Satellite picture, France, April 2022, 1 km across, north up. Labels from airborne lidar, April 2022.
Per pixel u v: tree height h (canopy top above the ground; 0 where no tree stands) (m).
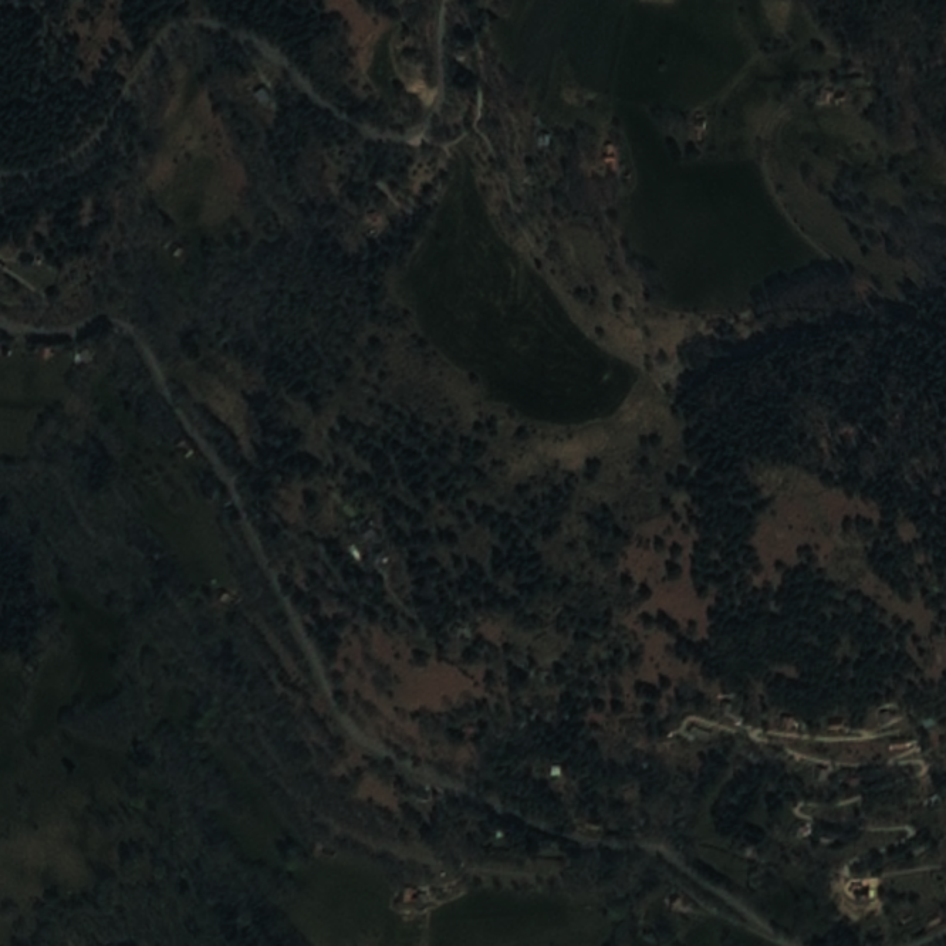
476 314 0
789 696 15
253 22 23
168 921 25
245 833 0
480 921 0
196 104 0
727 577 10
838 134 0
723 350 13
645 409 0
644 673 0
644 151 0
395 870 21
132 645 20
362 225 0
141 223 23
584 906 0
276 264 21
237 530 9
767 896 17
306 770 18
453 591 8
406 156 11
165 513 0
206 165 0
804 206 0
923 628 0
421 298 0
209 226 0
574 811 17
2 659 0
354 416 0
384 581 19
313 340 16
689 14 0
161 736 13
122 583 25
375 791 0
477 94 12
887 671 16
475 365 0
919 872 0
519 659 11
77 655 0
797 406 11
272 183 21
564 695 7
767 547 0
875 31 12
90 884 0
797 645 16
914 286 15
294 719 6
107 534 22
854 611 11
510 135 9
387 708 0
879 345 19
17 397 0
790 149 0
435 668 0
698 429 8
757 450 10
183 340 10
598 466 13
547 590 15
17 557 34
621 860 20
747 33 0
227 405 0
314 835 13
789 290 24
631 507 0
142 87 15
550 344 0
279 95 8
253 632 19
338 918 0
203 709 14
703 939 0
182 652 17
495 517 14
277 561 13
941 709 18
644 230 0
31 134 24
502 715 15
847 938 24
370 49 0
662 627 14
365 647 17
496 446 0
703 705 21
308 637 15
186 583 19
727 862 0
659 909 0
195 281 16
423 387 0
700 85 0
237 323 21
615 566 10
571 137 14
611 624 10
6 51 27
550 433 0
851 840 18
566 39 0
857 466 18
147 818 27
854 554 0
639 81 0
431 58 13
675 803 21
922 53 12
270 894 14
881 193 0
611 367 0
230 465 20
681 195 0
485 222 0
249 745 18
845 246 0
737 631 18
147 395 17
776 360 13
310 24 12
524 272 0
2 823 0
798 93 22
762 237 0
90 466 21
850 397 14
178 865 23
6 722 0
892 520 12
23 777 0
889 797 22
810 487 0
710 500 9
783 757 14
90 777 0
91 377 25
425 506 13
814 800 16
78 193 22
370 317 12
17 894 0
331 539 7
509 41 0
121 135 21
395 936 0
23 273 0
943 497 9
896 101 15
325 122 13
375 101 11
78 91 29
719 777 22
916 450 29
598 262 0
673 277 0
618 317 0
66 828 0
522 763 25
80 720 22
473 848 22
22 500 22
